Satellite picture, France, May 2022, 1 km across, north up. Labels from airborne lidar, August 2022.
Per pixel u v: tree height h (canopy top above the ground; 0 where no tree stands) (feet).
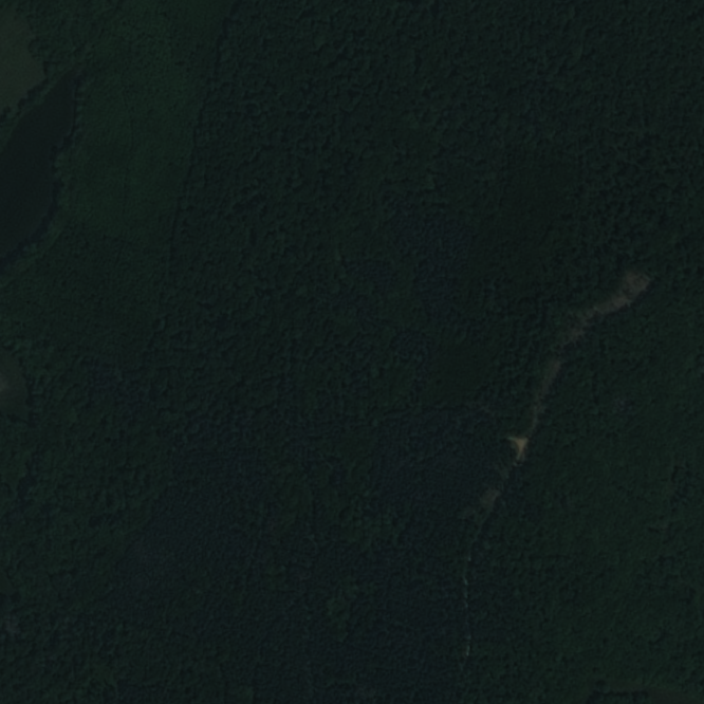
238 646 78
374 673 62
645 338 59
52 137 0
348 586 60
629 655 64
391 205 90
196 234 73
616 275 59
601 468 64
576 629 67
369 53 68
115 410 77
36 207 0
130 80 35
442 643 70
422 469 59
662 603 44
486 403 52
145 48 50
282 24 50
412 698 45
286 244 78
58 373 66
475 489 64
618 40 68
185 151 38
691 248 68
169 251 42
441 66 75
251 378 73
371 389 67
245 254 73
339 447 71
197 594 50
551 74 82
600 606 65
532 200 36
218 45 53
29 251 66
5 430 73
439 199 76
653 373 59
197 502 72
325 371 69
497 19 66
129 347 58
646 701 67
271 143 80
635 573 50
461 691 46
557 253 21
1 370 0
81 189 45
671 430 59
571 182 45
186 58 39
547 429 57
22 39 0
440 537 63
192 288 83
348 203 73
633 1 74
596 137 58
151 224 42
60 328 56
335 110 75
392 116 71
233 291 61
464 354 49
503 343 29
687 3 66
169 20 51
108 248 75
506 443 58
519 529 66
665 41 62
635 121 68
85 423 80
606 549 64
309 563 65
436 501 60
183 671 56
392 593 75
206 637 66
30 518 73
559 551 45
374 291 65
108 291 73
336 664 104
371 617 75
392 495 99
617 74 43
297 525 84
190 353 72
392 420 69
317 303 57
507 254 52
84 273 72
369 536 84
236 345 85
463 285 55
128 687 70
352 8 71
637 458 60
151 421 80
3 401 0
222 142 61
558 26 76
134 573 84
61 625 83
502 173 42
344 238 68
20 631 93
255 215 75
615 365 64
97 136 48
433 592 53
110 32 46
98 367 91
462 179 83
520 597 55
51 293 49
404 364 72
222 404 79
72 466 71
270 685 78
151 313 81
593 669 49
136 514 68
